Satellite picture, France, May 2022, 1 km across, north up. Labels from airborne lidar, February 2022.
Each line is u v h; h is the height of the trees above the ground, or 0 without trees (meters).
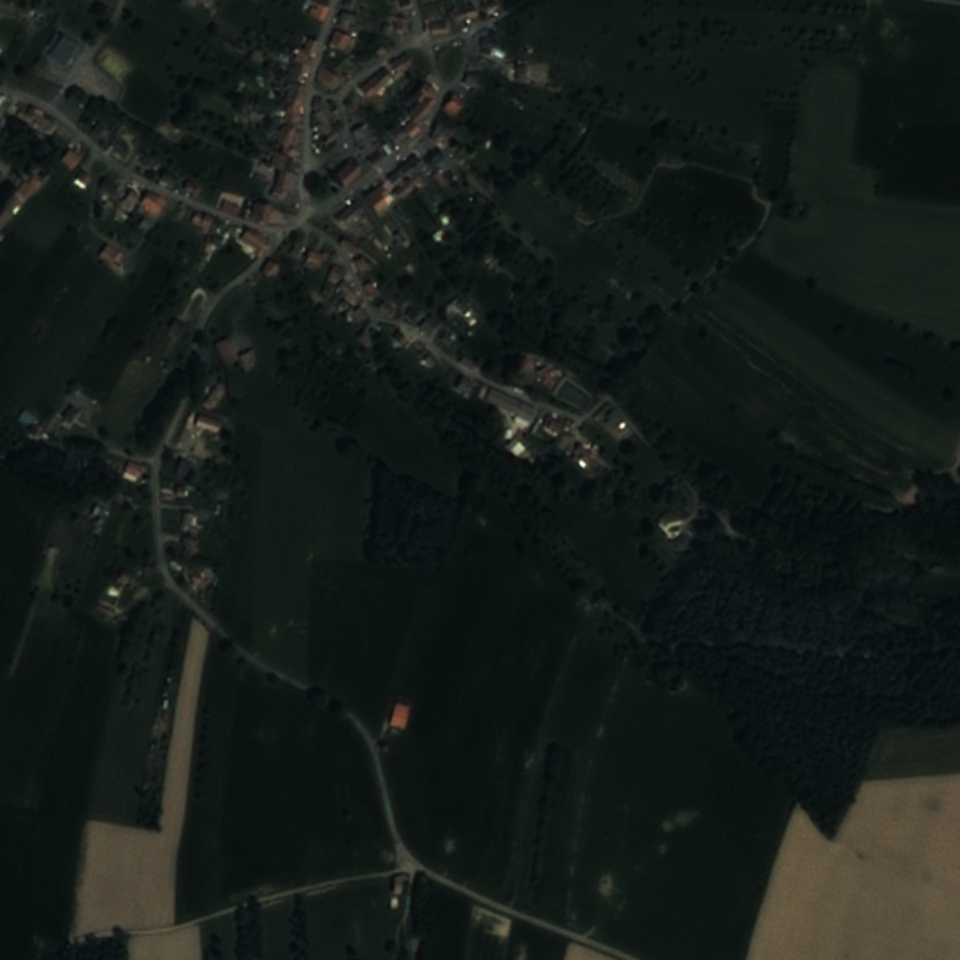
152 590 0
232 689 0
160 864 0
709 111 0
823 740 12
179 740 0
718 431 0
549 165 0
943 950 0
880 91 0
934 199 0
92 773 0
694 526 0
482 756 0
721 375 0
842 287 0
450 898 0
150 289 0
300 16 0
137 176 0
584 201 6
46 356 0
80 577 0
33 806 0
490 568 0
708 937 0
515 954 0
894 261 0
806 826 0
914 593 0
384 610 0
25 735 0
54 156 9
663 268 0
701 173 0
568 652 0
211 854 0
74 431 0
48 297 0
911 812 0
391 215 0
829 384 0
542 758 0
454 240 15
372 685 0
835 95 0
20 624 0
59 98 0
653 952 0
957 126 0
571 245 0
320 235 0
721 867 0
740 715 18
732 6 0
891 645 26
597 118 11
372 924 0
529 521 18
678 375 0
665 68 0
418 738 0
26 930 0
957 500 26
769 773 13
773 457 0
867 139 0
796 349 0
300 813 0
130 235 0
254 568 0
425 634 0
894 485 0
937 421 0
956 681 21
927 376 0
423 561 22
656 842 0
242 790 0
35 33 0
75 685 0
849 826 0
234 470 0
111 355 0
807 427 0
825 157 0
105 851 0
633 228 7
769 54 0
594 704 0
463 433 17
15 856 0
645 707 0
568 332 7
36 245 0
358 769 0
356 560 0
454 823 0
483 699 0
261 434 0
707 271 0
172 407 21
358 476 0
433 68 0
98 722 0
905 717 15
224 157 0
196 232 0
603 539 0
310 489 0
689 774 0
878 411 0
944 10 0
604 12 0
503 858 0
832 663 12
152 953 0
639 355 17
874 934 0
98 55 0
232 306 0
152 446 13
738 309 0
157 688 0
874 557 14
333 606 0
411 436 0
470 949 0
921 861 0
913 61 0
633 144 0
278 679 12
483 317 0
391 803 0
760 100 0
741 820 0
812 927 0
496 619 0
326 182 17
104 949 15
